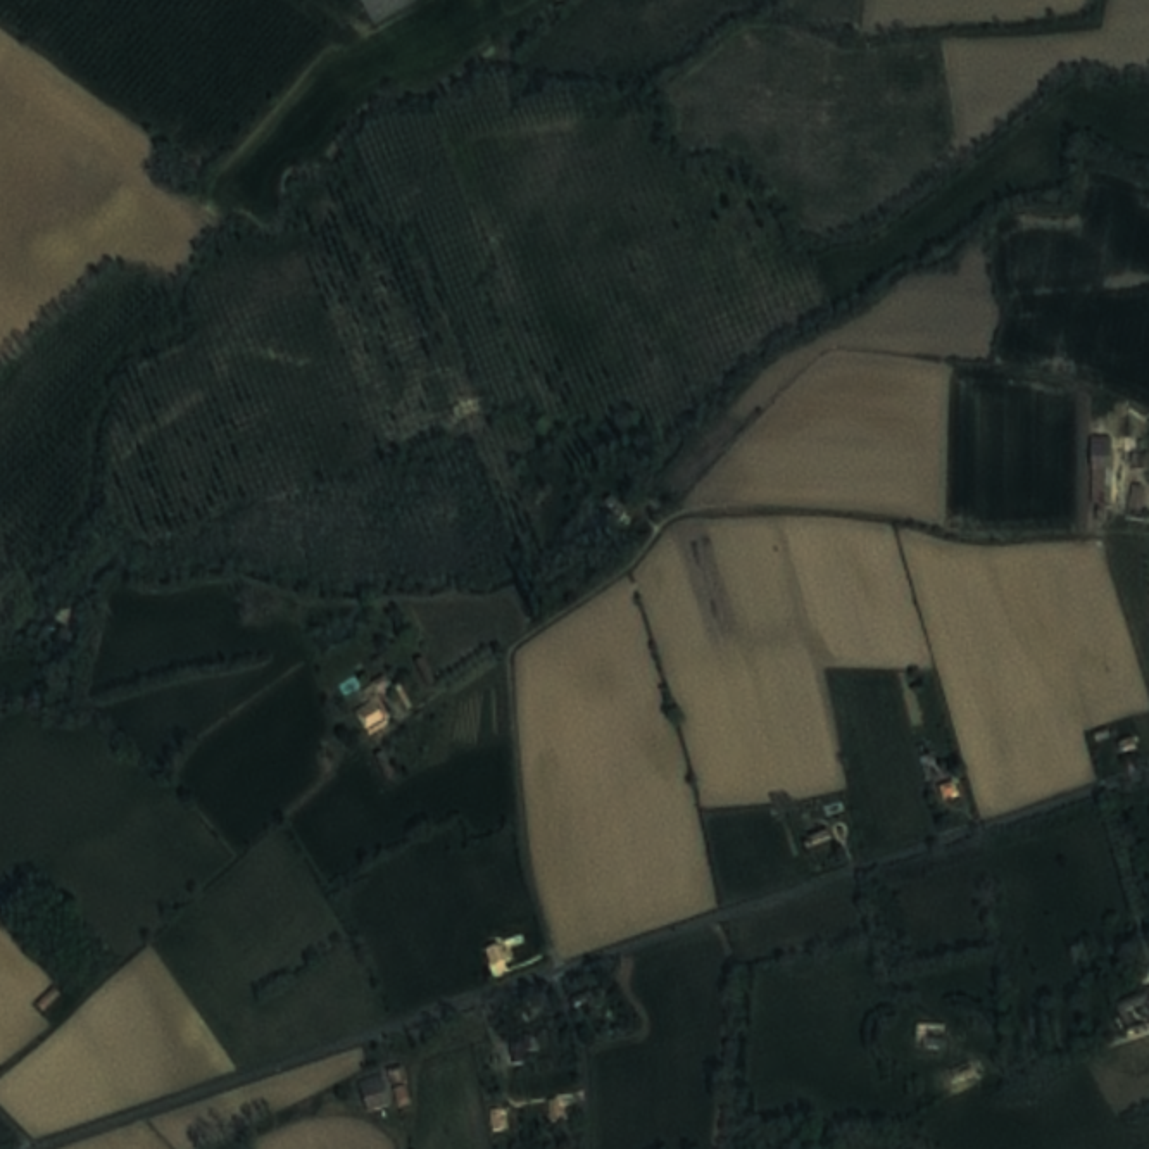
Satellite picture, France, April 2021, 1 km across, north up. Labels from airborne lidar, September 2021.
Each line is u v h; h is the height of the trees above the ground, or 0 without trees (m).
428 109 12
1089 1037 9
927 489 0
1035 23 8
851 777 0
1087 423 0
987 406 0
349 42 0
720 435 0
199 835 0
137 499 14
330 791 0
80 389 16
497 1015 5
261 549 14
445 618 0
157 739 0
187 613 0
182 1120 0
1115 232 0
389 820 0
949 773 9
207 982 0
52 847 0
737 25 13
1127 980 8
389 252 16
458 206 34
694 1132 0
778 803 15
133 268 10
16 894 19
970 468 0
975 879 0
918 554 0
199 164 0
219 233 11
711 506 0
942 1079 0
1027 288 0
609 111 13
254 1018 0
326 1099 0
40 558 16
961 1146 0
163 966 0
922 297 0
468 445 11
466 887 0
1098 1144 0
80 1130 0
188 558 13
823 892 0
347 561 16
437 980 0
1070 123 0
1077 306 0
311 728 0
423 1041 15
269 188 0
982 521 0
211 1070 0
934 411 0
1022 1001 0
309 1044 0
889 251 0
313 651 0
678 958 0
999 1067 14
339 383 11
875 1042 5
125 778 0
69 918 23
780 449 0
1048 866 0
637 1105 0
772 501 0
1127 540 0
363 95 0
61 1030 0
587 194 9
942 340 0
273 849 0
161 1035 0
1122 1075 0
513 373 27
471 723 0
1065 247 0
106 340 21
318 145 0
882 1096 0
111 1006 0
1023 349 0
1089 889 0
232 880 0
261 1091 0
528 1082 0
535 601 30
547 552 13
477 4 0
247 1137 25
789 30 10
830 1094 0
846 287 0
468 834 6
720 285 13
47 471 16
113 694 17
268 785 0
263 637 0
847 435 0
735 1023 8
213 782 0
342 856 0
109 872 0
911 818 0
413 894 0
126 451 18
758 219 19
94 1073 0
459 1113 0
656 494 7
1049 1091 9
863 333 0
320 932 0
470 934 0
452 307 28
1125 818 6
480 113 31
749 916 0
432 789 0
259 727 0
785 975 12
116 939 0
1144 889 15
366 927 0
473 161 14
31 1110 0
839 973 0
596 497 16
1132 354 0
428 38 0
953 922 0
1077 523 0
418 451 16
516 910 0
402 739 6
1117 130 0
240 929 0
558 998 14
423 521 22
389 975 0
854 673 0
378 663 7
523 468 18
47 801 0
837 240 13
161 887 0
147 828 0
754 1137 19
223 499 16
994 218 15
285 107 0
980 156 13
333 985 0
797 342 14
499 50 13
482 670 8
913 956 13
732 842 0
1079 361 0
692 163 19
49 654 9
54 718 17
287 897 0
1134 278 0
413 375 15
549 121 30
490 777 0
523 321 17
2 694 11
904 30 13
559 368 14
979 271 0
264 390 12
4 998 0
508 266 19
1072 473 0
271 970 0
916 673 11
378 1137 0
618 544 26
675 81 8
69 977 19
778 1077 0
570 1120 12
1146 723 0
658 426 22
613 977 12
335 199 14
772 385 0
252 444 15
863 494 0
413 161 33
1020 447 0
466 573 15
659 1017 0
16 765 0
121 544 19
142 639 0
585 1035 18
